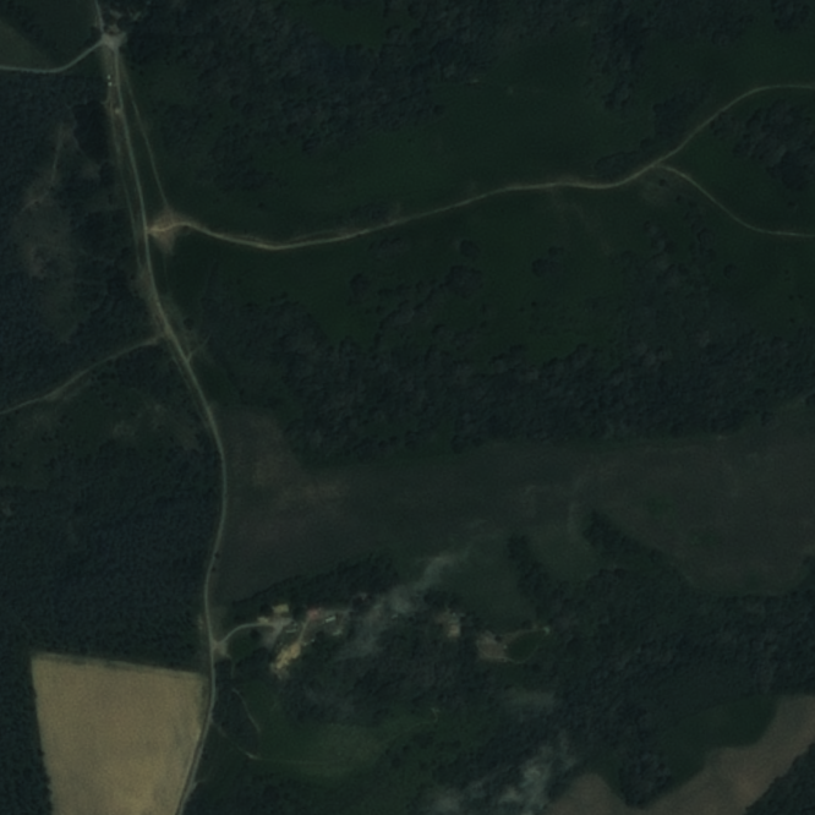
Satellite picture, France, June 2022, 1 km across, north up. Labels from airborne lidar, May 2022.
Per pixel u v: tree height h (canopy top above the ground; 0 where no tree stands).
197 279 0
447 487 0
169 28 19
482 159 0
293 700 6
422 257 0
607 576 15
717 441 0
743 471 0
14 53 0
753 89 0
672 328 6
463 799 8
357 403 8
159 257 0
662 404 17
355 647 18
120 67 0
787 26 11
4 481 0
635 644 10
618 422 8
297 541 0
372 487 0
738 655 12
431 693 7
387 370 21
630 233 0
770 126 15
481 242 0
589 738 8
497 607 0
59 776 0
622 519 0
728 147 0
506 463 0
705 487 0
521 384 8
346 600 15
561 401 13
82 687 0
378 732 0
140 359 12
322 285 0
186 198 0
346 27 0
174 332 0
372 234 0
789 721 0
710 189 0
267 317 6
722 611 10
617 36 17
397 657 19
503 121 0
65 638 18
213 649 0
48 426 0
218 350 7
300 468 0
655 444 0
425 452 0
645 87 0
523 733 11
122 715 0
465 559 0
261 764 0
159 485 7
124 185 0
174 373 8
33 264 0
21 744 22
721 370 19
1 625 17
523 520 0
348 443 9
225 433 0
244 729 6
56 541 9
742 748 0
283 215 0
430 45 18
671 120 10
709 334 7
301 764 0
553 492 0
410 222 0
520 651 0
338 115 12
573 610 8
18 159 28
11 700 16
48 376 7
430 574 0
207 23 20
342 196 0
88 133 17
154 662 0
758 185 0
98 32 7
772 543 0
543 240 0
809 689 12
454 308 0
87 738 0
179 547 22
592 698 10
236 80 20
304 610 14
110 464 8
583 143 0
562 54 0
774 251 0
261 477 0
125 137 0
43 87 21
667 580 8
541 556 0
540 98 0
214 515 16
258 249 0
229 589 0
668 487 0
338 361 15
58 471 12
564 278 0
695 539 0
